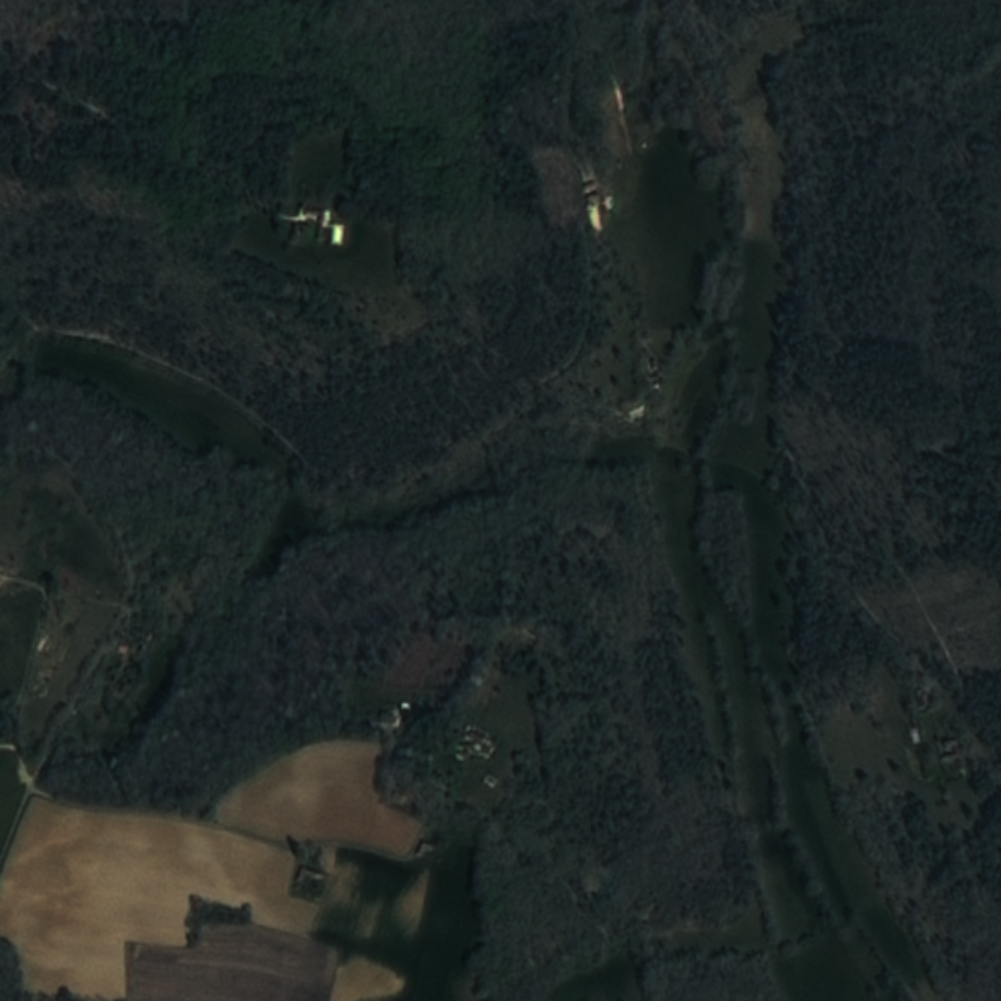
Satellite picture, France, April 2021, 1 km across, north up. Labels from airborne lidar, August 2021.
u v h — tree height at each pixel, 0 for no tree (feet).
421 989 0
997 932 60
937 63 33
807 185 46
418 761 19
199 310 59
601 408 44
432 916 0
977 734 65
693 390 0
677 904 28
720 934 53
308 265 0
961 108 27
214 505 90
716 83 64
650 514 65
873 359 80
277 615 64
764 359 0
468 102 65
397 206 77
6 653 0
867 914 0
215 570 69
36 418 55
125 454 71
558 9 68
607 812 32
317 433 69
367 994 0
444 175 68
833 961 0
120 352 35
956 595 0
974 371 39
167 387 0
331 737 62
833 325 43
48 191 86
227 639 69
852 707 55
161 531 63
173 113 60
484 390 59
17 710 30
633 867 68
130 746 32
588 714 47
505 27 60
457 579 23
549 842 60
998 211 45
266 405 37
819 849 0
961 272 37
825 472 0
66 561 0
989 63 70
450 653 0
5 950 65
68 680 0
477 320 51
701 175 61
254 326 61
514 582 54
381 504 39
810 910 0
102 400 67
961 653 21
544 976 67
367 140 71
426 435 63
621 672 68
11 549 0
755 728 0
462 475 52
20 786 0
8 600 0
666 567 73
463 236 71
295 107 40
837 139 31
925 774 25
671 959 87
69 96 35
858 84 42
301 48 69
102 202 48
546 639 54
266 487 68
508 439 46
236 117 69
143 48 66
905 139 46
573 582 64
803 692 49
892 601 0
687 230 0
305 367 31
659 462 0
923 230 43
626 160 0
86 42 48
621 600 40
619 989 0
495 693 0
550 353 52
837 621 61
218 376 32
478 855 43
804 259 72
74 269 36
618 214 0
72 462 74
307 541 74
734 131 58
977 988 55
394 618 39
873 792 49
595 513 58
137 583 21
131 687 52
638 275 24
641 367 31
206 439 0
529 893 62
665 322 0
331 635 33
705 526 53
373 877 0
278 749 69
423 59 70
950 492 56
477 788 0
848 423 74
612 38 69
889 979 44
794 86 36
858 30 52
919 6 52
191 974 0
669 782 68
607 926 50
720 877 36
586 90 65
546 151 67
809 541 52
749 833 60
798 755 0
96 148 83
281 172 68
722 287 103
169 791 58
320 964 0
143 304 19
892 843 49
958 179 39
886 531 47
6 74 53
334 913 0
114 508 78
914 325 51
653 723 72
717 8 49
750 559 50
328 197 61
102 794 89
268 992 0
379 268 0
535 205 91
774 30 0
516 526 59
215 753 64
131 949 0
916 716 41
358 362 44
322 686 64
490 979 69
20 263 75
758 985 56
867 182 51
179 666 78
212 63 71
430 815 70
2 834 0
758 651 51
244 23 59
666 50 84
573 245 56
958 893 57
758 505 0
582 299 81
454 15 58
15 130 78
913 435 32
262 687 57
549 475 73
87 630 0
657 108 57
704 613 0
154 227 61
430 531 69
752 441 0
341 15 64
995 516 47
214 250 47
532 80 77
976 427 50
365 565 54
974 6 48
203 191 70
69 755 62
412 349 35
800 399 69
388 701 0
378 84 83
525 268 59
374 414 66
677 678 75
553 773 31
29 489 0
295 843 0
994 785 57
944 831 0
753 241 0
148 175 79
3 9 41
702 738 68
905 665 53
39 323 61
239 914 25
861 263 34
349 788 0
